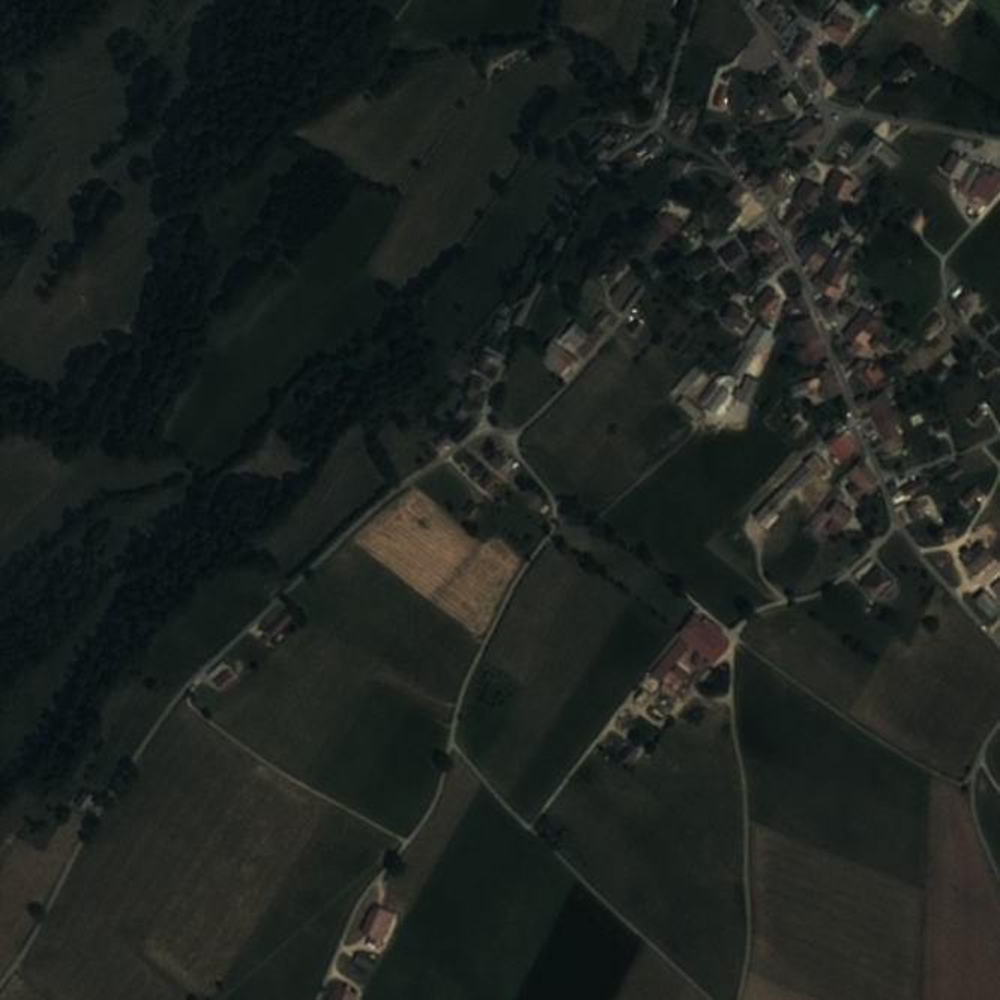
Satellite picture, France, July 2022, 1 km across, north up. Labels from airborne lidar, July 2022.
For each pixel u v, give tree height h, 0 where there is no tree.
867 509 7
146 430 26
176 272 24
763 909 0
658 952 0
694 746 0
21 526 0
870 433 0
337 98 17
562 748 0
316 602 0
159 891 0
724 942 0
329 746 0
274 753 0
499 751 0
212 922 0
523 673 0
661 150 0
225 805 0
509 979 0
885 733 0
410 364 21
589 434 0
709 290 13
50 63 0
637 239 18
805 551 0
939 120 0
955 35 0
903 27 0
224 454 0
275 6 24
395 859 16
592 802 0
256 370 0
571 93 0
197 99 23
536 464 0
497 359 0
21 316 0
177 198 27
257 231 14
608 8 0
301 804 0
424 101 0
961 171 0
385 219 0
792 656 0
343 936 0
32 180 0
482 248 0
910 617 0
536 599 0
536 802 0
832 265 0
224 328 0
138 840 0
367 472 0
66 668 0
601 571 10
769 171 12
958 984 0
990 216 0
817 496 0
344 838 0
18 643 31
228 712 0
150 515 0
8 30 35
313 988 0
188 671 0
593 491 0
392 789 0
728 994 0
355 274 0
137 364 19
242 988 0
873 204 10
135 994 0
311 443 17
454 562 0
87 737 14
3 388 25
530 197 0
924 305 0
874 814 0
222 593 0
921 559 0
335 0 25
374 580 0
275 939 0
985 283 0
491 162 0
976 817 0
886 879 0
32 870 0
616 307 0
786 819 0
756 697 0
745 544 0
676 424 0
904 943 0
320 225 16
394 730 0
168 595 25
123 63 18
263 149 18
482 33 0
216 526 31
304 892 0
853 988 0
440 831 0
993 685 0
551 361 0
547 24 7
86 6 23
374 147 0
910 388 8
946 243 0
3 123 24
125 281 0
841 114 0
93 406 20
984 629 0
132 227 0
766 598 0
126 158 0
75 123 0
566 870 0
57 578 23
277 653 0
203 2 0
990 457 0
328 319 0
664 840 0
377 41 17
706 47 0
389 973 0
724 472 0
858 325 0
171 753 0
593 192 9
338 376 6
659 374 0
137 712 0
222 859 0
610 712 0
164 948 0
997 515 0
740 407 0
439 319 0
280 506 26
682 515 0
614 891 0
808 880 0
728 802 0
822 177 0
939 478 5
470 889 0
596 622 0
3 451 0
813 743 0
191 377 16
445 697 0
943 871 0
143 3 0
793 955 0
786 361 12
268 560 25
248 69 23
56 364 0
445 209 0
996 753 0
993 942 0
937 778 0
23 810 0
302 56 32
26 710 0
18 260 0
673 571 0
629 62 0
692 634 0
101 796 9
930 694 0
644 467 0
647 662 0
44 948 0
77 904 0
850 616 0
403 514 0
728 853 0
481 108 0
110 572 16
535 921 0
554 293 0
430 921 0
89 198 13
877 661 9
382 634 0
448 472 0
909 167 0
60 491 0
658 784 0
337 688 0
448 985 0
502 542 0
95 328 0
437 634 0
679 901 0
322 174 15
